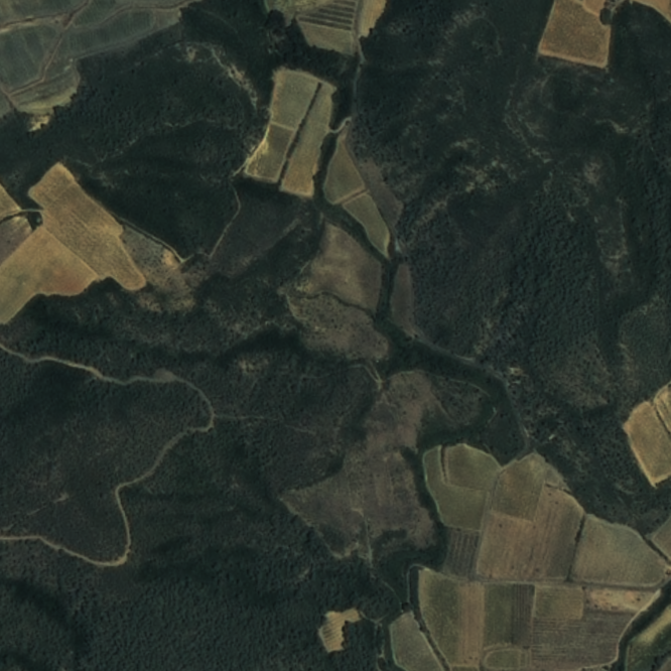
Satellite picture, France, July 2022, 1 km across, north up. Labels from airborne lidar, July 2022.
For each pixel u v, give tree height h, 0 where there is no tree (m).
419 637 0
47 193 0
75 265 0
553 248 10
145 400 7
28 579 11
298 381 7
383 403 0
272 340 6
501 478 0
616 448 8
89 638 11
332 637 0
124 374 9
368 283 0
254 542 9
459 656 0
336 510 0
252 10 6
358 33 0
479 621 0
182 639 8
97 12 0
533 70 0
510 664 0
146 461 7
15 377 7
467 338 10
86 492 7
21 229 0
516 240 9
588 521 0
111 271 0
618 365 6
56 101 0
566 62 0
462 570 0
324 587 12
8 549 10
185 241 9
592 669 0
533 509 0
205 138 9
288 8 0
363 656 14
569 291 11
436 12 8
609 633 0
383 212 0
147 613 9
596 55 0
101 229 0
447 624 0
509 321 10
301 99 0
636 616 0
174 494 9
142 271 0
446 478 0
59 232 0
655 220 11
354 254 0
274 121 0
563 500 0
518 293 13
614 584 0
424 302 6
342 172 0
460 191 10
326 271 0
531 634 0
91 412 7
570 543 0
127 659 9
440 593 0
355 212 0
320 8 0
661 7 0
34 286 0
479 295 11
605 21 11
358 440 8
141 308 9
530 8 0
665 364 7
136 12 0
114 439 6
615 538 0
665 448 0
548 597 0
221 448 8
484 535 0
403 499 0
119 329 7
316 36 0
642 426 0
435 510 6
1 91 0
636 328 7
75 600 9
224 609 12
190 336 10
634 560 0
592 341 6
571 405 7
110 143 11
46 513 6
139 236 0
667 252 10
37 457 6
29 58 0
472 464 0
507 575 0
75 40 0
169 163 6
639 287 6
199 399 8
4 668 10
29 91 0
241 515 8
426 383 0
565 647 0
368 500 0
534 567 0
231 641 9
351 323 0
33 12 0
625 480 7
